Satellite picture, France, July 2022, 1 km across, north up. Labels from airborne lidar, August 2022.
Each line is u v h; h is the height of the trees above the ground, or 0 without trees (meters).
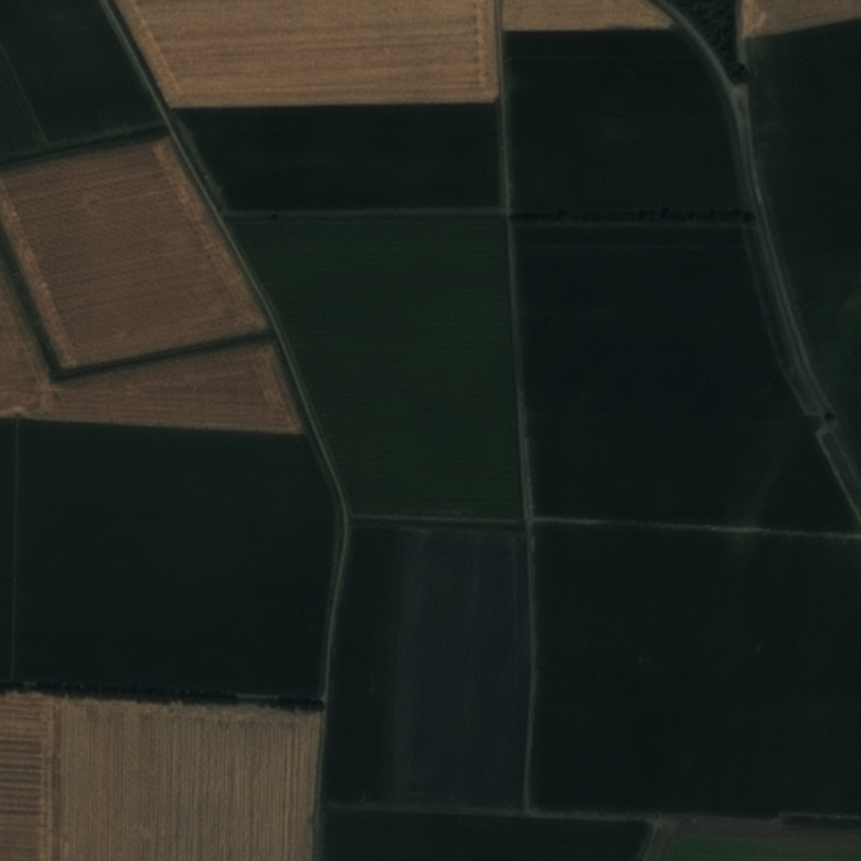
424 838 0
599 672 0
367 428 0
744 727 0
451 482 0
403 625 0
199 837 0
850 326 0
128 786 0
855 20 0
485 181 0
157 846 0
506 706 0
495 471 0
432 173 0
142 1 0
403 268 0
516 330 0
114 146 0
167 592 0
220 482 0
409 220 0
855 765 0
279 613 0
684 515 0
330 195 0
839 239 0
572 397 0
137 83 0
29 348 0
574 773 0
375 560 0
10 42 0
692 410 0
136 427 0
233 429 0
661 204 0
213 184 0
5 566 0
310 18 0
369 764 0
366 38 0
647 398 0
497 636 0
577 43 0
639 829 0
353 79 0
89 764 0
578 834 0
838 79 0
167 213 0
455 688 0
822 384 0
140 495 0
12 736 0
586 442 0
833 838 0
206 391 0
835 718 0
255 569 0
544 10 0
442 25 0
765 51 0
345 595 0
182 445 0
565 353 0
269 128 0
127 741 0
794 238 0
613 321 0
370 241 0
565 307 0
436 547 0
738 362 0
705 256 0
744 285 0
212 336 0
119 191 0
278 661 0
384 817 0
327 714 0
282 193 0
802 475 0
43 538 0
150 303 0
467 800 0
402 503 0
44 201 0
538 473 0
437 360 0
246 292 0
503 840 0
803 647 0
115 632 0
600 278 0
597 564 0
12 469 0
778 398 0
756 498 0
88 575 0
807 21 0
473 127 0
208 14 0
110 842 0
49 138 0
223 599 0
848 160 0
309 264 0
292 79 0
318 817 0
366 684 0
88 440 0
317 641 0
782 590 0
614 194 0
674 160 0
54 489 0
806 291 0
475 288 0
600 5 0
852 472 0
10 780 0
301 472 0
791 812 0
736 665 0
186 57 0
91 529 0
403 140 0
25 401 0
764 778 0
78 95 0
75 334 0
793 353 0
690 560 0
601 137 0
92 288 0
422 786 0
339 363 0
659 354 0
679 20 0
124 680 0
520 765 0
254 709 0
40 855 0
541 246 0
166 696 16
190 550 0
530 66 0
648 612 0
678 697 0
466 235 0
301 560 0
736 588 0
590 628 0
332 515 0
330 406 0
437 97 0
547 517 0
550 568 0
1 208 0
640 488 0
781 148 0
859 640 0
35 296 0
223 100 0
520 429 0
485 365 0
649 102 0
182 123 0
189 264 0
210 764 0
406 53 0
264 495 0
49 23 0
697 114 0
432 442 0
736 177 0
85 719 0
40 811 0
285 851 0
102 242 0
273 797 0
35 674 0
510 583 0
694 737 0
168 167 0
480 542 0
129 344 0
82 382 0
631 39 0
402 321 0
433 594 0
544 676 0
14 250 0
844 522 0
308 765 0
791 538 0
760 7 0
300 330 0
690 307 0
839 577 0
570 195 0
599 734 0
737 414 0
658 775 0
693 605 0
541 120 0
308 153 0
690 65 0
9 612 0
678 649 0
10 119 0
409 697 0
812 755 0
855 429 0
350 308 0
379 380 0
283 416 0
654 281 0
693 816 0
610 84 0
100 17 0
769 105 0
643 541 0
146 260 0
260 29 0
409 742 0
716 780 0
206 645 0
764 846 0
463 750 0
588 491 0
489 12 0
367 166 0
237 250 0
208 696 10
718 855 0
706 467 0
